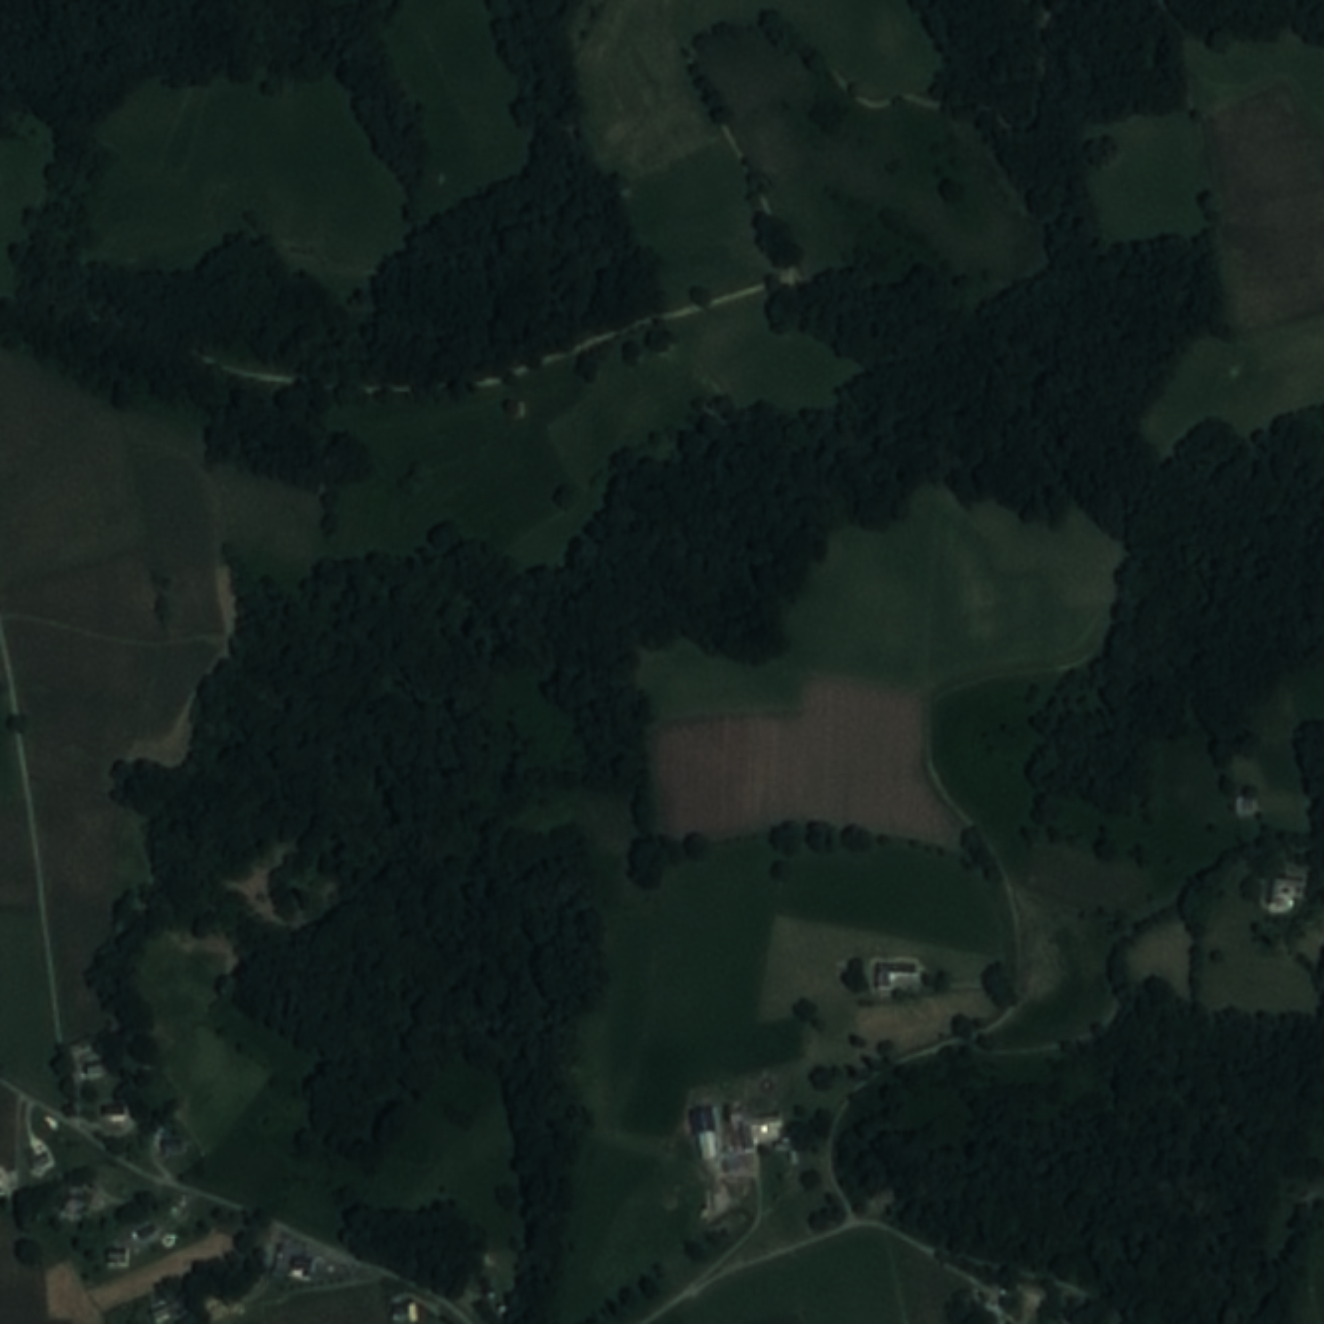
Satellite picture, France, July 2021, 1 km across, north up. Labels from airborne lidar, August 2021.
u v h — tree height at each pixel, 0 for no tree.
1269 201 0
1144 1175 31
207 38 24
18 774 0
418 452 0
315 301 27
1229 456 14
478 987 29
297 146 0
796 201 0
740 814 0
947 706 0
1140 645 27
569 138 20
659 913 0
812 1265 0
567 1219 17
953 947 0
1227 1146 24
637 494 29
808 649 0
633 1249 0
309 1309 0
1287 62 0
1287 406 0
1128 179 0
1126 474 21
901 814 0
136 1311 7
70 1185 10
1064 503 17
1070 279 25
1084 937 0
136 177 0
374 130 20
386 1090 27
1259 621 27
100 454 0
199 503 0
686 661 0
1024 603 0
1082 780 22
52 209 15
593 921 25
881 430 29
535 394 0
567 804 0
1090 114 12
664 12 0
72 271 18
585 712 18
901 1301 0
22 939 0
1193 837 0
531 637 30
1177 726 24
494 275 27
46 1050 0
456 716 26
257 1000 26
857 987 17
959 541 0
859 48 0
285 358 16
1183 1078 27
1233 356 0
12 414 0
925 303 29
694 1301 0
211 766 22
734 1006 0
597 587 36
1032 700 12
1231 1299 20
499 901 25
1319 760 24
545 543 0
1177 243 20
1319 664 16
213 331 17
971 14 28
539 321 19
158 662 0
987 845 7
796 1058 0
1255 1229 30
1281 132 0
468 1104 0
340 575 27
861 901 0
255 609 18
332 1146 20
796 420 10
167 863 22
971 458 24
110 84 19
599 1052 0
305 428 22
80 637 0
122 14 24
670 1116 0
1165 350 9
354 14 13
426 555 21
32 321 13
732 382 0
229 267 16
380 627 29
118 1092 9
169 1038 0
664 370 0
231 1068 0
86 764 0
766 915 0
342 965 30
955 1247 18
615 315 14
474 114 0
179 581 0
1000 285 0
